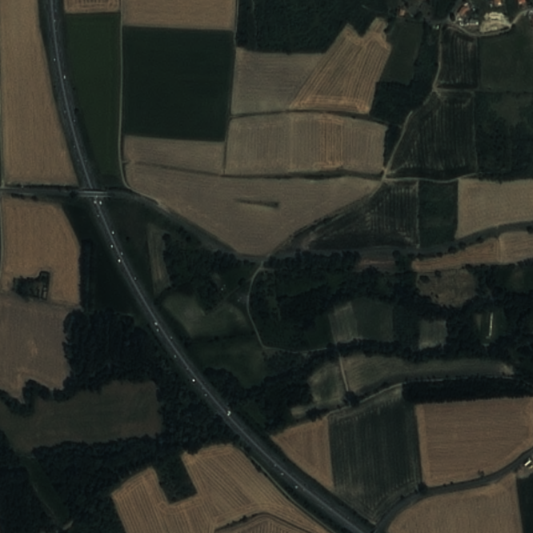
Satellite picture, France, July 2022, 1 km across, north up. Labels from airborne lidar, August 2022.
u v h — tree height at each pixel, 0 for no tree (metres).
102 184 0
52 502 0
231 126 0
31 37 0
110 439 0
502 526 0
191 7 0
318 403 0
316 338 0
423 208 6
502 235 0
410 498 0
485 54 0
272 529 0
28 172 0
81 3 0
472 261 0
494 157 9
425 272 0
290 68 0
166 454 30
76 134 0
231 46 0
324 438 0
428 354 12
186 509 0
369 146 0
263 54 0
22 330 0
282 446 0
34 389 8
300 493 0
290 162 0
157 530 0
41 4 0
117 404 0
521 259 0
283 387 8
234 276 0
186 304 0
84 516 30
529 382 6
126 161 0
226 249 0
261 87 0
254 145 0
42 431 0
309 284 0
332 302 25
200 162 0
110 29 0
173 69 0
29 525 29
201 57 0
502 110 0
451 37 0
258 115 0
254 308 15
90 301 30
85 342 25
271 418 19
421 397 11
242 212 0
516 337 20
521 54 0
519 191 0
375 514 0
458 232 0
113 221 0
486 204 0
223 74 0
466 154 0
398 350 21
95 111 0
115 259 0
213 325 0
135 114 0
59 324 0
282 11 8
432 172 0
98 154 0
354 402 30
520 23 0
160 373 27
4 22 0
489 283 15
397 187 0
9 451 21
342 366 0
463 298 0
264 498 0
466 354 11
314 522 0
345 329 0
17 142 0
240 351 0
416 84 10
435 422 0
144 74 0
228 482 0
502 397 11
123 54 0
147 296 0
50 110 0
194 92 0
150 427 0
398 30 0
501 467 0
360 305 0
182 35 0
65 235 0
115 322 32
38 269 0
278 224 0
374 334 0
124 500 0
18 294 6
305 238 0
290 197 0
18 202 0
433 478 0
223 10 0
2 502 30
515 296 18
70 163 0
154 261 0
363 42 0
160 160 0
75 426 0
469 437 0
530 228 10
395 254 13
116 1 0
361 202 0
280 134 0
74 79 0
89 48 0
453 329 15
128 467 16
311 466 0
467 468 0
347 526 0
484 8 0
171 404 18
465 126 0
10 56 0
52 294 0
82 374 19
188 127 0
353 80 0
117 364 18
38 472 0
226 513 0
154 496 0
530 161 10
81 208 0
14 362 0
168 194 0
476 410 0
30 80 0
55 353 0
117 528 6
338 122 0
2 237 0
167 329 0
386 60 0
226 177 0
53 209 0
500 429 0
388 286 7
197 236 0
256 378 0
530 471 0
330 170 0
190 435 25
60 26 0
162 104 0
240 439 8
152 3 0
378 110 7
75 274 0
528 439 0
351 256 19
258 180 0
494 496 0
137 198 0
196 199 0
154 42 0
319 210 0
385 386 10
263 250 0
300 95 0
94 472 9
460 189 0
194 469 0
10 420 0
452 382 9
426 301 23
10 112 0
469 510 0
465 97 0
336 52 0
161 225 0
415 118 0
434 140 0
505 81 0
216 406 0
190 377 0
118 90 0
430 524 0
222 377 19
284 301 11
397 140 9
